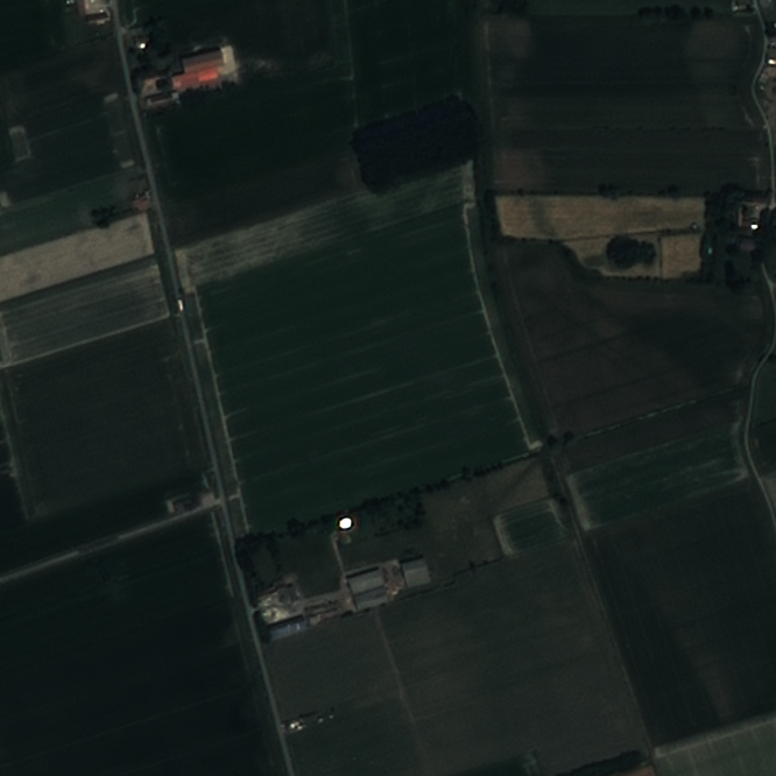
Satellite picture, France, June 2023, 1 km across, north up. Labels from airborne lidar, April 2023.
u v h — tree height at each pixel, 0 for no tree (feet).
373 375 0
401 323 0
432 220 0
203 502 0
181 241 0
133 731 0
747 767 0
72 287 0
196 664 0
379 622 0
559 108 0
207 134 0
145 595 0
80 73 0
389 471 0
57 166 0
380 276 0
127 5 0
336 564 0
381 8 0
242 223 0
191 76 0
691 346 0
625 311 0
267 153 0
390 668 0
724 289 0
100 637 0
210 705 0
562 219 0
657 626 0
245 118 0
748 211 39
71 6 0
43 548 0
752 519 0
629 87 0
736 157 0
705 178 0
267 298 0
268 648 0
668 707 0
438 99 0
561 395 0
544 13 0
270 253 0
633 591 0
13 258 0
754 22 0
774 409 0
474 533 0
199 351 0
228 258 0
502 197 0
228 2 0
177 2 0
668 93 0
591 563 0
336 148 0
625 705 0
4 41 0
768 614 0
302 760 0
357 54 0
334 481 0
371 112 0
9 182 0
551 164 0
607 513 0
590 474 0
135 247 0
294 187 0
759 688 0
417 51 0
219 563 0
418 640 0
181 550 0
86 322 0
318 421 0
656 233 0
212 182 0
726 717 0
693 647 0
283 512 0
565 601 0
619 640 0
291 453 0
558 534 0
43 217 0
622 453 0
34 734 0
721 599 0
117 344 0
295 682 0
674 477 0
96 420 0
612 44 0
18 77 0
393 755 0
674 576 0
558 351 0
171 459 0
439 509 0
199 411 0
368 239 0
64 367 0
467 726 0
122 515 0
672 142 0
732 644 0
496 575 0
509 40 0
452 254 0
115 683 0
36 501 0
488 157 0
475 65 0
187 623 0
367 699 0
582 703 0
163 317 0
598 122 0
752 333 0
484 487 0
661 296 0
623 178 0
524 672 0
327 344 0
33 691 0
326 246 0
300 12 0
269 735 0
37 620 0
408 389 0
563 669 0
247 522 0
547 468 0
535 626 0
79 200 0
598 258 0
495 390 0
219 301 0
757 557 0
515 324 0
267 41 0
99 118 0
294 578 0
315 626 0
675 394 0
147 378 0
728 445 0
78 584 0
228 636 0
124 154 0
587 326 0
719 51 0
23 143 0
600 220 0
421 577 0
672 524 0
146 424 0
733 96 0
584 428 0
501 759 0
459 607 0
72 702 0
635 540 0
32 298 0
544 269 0
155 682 0
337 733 0
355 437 0
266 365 0
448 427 0
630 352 0
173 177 0
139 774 0
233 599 0
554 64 0
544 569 0
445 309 0
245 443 0
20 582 0
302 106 0
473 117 98
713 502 0
